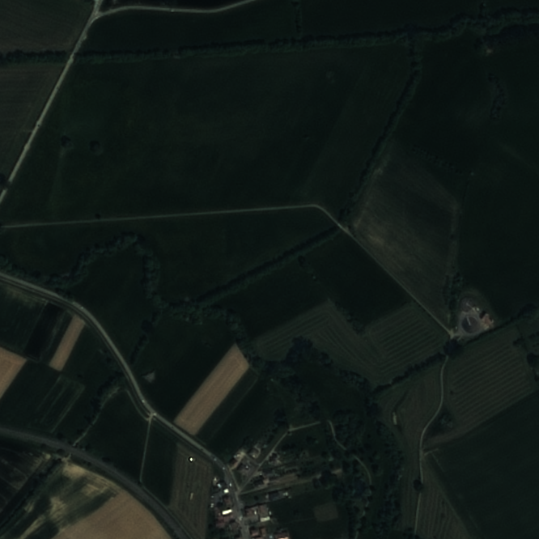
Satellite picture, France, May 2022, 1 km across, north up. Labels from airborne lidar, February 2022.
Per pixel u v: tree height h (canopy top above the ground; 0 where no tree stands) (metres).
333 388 0
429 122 0
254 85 0
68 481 0
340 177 0
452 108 0
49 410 0
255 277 17
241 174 0
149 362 0
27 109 0
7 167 0
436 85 0
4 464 0
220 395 0
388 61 0
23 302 0
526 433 0
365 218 0
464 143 0
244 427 0
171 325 0
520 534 0
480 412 0
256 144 0
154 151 0
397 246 0
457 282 11
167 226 0
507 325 5
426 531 0
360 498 18
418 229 0
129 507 0
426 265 0
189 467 0
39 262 0
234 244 0
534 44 0
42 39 0
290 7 0
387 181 0
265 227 0
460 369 0
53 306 0
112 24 0
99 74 0
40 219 0
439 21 0
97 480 0
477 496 0
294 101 0
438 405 0
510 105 0
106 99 0
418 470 0
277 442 0
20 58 20
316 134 0
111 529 0
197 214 0
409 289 0
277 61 0
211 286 0
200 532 0
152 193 0
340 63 0
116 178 0
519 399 0
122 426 0
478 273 0
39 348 0
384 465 0
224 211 0
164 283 0
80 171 0
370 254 0
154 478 0
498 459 0
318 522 0
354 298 0
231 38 0
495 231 0
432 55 0
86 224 0
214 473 0
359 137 0
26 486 0
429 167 0
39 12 0
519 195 0
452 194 0
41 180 0
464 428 0
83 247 0
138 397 0
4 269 17
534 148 0
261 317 0
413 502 0
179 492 0
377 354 0
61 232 0
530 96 0
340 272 0
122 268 0
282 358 0
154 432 0
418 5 0
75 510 0
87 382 0
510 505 0
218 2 0
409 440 0
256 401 0
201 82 0
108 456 0
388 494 16
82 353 0
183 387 0
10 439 0
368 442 0
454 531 0
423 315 0
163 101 0
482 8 12
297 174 0
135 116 0
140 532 0
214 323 0
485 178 0
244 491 0
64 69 0
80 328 0
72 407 0
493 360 0
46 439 0
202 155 0
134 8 0
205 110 0
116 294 0
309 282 0
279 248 0
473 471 0
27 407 0
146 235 0
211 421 0
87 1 17
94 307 0
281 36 0
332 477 19
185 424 0
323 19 0
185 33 0
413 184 0
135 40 0
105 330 0
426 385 0
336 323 0
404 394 0
